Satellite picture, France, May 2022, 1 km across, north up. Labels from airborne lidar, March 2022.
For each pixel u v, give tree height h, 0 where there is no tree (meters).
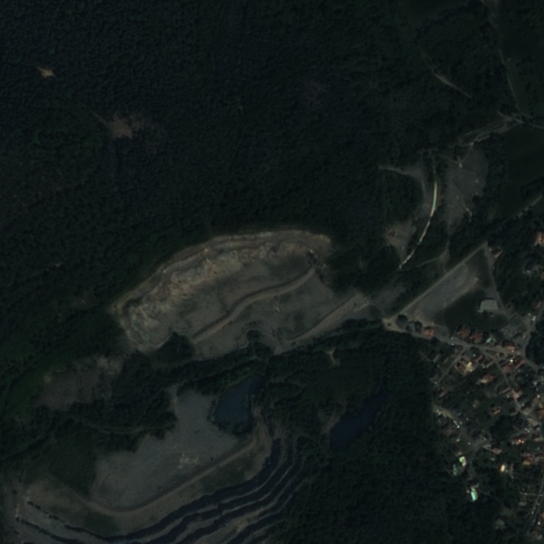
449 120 23
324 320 0
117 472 0
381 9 26
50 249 13
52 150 13
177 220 15
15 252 17
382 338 12
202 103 21
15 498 0
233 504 0
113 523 0
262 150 19
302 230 0
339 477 15
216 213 14
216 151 21
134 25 31
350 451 19
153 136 26
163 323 0
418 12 0
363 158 22
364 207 13
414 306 0
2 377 22
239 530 0
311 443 11
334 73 23
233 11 21
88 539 0
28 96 22
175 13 30
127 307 0
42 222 24
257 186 18
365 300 0
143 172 27
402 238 0
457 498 10
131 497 0
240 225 9
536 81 0
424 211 0
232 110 14
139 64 32
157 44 33
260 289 0
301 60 24
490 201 16
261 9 20
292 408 15
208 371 11
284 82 19
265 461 0
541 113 0
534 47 0
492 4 0
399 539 23
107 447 13
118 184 25
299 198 22
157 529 0
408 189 10
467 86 20
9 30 27
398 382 18
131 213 22
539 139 0
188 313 0
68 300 6
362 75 23
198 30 21
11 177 22
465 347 0
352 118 26
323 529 23
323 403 15
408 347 15
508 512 0
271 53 24
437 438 12
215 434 0
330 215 16
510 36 0
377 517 26
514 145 0
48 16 25
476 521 26
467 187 0
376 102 20
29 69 20
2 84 15
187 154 23
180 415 0
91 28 28
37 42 23
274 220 10
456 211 0
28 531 0
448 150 15
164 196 21
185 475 0
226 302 0
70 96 24
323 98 24
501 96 0
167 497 0
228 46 25
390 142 20
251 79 15
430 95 20
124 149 21
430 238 12
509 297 0
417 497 18
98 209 29
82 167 24
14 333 28
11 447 19
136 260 0
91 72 21
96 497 0
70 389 0
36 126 25
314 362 13
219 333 0
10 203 23
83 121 28
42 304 25
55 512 0
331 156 21
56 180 20
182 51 33
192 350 14
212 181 19
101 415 15
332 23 17
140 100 28
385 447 9
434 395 9
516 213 0
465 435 0
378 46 23
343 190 20
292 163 13
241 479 0
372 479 12
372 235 13
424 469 15
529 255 6
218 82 25
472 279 0
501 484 16
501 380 0
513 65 0
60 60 25
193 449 0
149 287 0
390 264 9
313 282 0
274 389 19
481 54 0
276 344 0
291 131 16
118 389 21
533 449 0
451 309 0
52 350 11
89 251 14
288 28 29
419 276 9
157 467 0
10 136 15
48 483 0
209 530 0
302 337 0
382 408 11
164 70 31
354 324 12
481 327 0
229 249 0
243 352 8
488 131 0
